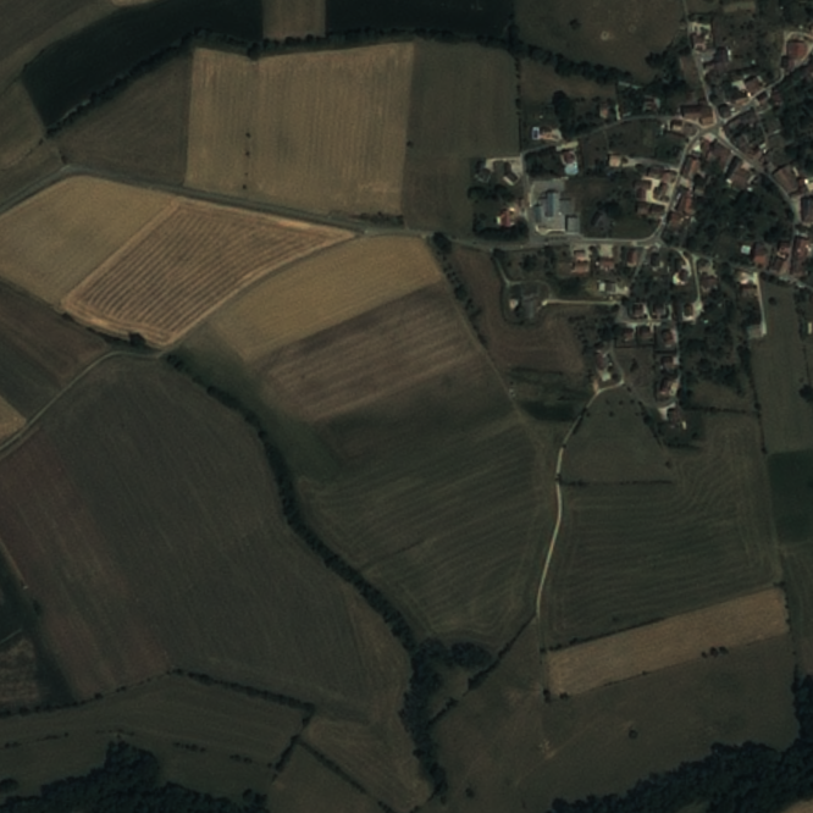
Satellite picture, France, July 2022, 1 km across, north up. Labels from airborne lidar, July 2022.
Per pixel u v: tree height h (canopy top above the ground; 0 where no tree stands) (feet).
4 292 0
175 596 0
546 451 0
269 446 31
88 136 0
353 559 0
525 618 0
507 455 0
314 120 0
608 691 0
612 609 0
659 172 0
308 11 0
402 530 0
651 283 23
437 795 20
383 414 0
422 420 0
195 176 0
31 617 0
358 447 0
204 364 0
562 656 0
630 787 0
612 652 0
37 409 0
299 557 0
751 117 0
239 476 0
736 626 0
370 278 0
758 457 0
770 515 0
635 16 0
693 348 21
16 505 0
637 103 26
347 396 0
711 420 0
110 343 27
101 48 0
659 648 0
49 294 0
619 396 0
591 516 0
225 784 0
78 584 0
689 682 0
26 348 0
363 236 0
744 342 22
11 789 39
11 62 0
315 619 0
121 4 0
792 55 0
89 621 0
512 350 0
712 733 0
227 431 0
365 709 0
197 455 0
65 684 0
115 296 0
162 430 0
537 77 0
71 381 0
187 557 0
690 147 0
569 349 0
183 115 0
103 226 0
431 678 89
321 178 0
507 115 0
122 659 0
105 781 63
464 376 0
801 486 0
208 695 0
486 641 0
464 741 0
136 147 0
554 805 0
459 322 0
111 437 0
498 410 0
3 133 0
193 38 38
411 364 0
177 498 0
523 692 0
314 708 36
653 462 0
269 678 0
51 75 0
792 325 0
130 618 0
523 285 0
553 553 0
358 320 0
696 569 0
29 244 0
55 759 0
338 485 0
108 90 31
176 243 0
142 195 0
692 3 0
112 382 0
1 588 0
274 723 0
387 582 0
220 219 0
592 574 0
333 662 0
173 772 0
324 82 0
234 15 0
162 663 0
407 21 0
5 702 0
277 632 0
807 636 0
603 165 23
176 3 0
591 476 0
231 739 0
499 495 0
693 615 0
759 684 0
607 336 38
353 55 0
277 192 0
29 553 0
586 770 0
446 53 0
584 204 0
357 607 0
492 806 0
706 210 23
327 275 0
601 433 0
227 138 0
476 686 38
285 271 0
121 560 0
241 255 0
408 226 0
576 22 21
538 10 0
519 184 0
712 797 46
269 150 0
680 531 0
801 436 0
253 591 0
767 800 36
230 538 0
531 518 0
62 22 0
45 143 0
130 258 0
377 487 0
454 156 0
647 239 0
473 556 0
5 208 0
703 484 0
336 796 0
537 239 0
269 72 0
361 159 0
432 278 0
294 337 0
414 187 0
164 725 0
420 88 0
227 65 0
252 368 0
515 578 0
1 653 0
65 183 0
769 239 37
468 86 0
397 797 0
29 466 0
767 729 0
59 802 62
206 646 0
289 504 28
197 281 0
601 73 56
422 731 73
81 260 0
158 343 0
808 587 0
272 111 0
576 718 0
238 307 0
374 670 0
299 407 0
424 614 0
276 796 0
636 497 0
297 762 0
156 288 0
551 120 0
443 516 0
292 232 0
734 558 0
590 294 0
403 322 0
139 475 0
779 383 0
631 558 0
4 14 0
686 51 21
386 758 0
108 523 0
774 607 0
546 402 0
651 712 0
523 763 0
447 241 57
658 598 0
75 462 0
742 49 0
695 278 0
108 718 0
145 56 0
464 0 0
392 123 0
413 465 0
